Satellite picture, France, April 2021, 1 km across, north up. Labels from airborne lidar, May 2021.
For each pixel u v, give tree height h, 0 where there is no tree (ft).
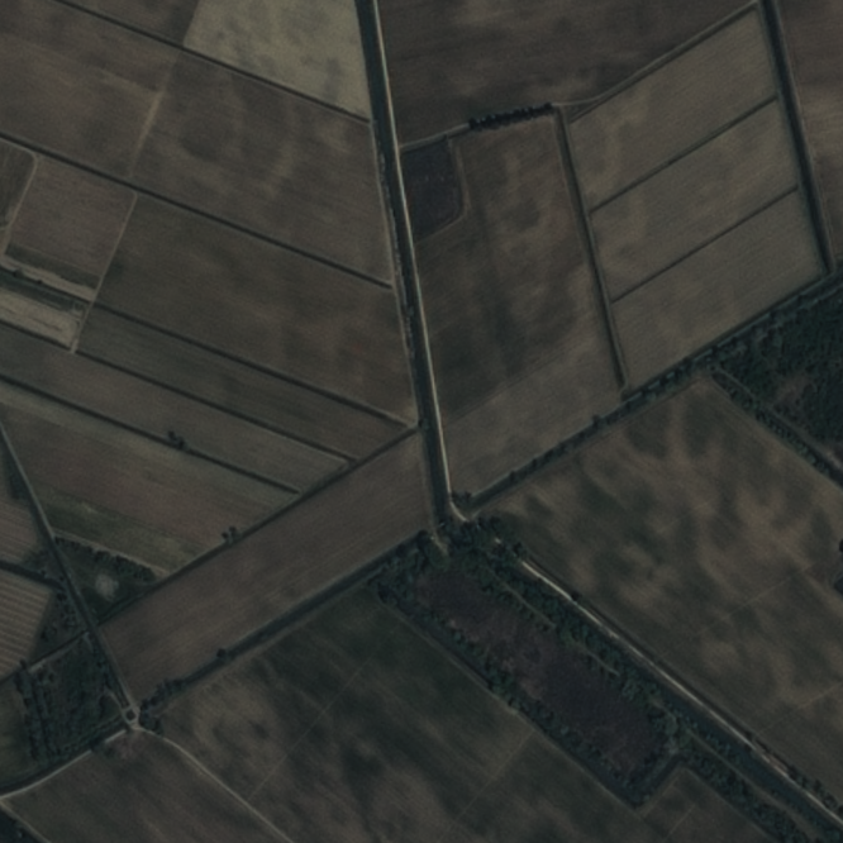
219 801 0
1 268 0
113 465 0
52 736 34
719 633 0
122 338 0
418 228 0
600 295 0
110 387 0
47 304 0
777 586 0
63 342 0
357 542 0
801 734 0
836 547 0
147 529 0
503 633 0
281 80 0
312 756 0
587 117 0
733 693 0
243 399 0
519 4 0
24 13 0
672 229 0
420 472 0
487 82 0
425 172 0
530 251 0
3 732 0
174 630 0
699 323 0
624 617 0
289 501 0
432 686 0
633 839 0
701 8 0
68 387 0
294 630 0
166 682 0
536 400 0
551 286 0
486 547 67
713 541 0
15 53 0
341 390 0
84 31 0
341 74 0
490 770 0
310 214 0
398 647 0
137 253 0
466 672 0
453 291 0
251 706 0
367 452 0
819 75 0
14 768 0
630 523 0
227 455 0
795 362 21
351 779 0
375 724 0
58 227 0
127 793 0
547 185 0
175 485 0
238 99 0
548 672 0
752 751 55
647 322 0
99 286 0
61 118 0
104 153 0
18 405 0
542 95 0
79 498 0
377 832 0
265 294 0
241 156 0
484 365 0
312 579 0
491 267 0
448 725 0
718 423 0
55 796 0
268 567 0
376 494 0
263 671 0
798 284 0
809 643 0
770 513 0
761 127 0
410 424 0
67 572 0
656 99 0
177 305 0
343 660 0
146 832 0
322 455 0
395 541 0
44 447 0
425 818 0
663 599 0
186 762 0
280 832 0
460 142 0
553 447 0
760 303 0
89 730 47
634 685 45
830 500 0
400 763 0
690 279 0
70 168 0
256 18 0
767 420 44
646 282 0
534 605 59
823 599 0
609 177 0
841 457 0
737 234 0
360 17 0
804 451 34
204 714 0
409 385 0
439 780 0
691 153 0
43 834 0
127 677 0
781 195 0
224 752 0
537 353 0
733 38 0
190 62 0
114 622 0
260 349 0
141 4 0
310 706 0
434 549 81
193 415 0
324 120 0
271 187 0
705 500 0
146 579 48
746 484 0
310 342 0
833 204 0
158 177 0
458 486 0
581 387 0
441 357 0
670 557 0
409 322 20
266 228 0
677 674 0
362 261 0
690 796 0
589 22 0
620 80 0
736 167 0
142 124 0
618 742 0
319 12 0
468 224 0
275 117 0
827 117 0
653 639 0
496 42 0
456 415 0
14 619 0
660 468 0
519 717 0
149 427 0
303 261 0
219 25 0
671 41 0
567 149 0
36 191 0
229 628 0
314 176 0
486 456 0
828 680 0
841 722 0
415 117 0
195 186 0
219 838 0
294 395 0
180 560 0
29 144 0
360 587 0
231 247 0
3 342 0
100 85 0
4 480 0
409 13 0
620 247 0
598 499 0
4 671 0
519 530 0
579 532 0
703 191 0
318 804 0
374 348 0
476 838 0
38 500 0
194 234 0
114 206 0
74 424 0
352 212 0
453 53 0
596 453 0
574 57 0
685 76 0
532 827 0
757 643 0
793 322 24
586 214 0
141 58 0
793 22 0
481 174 0
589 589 0
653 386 0
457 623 0
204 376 0
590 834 0
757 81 0
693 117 0
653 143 0
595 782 0
